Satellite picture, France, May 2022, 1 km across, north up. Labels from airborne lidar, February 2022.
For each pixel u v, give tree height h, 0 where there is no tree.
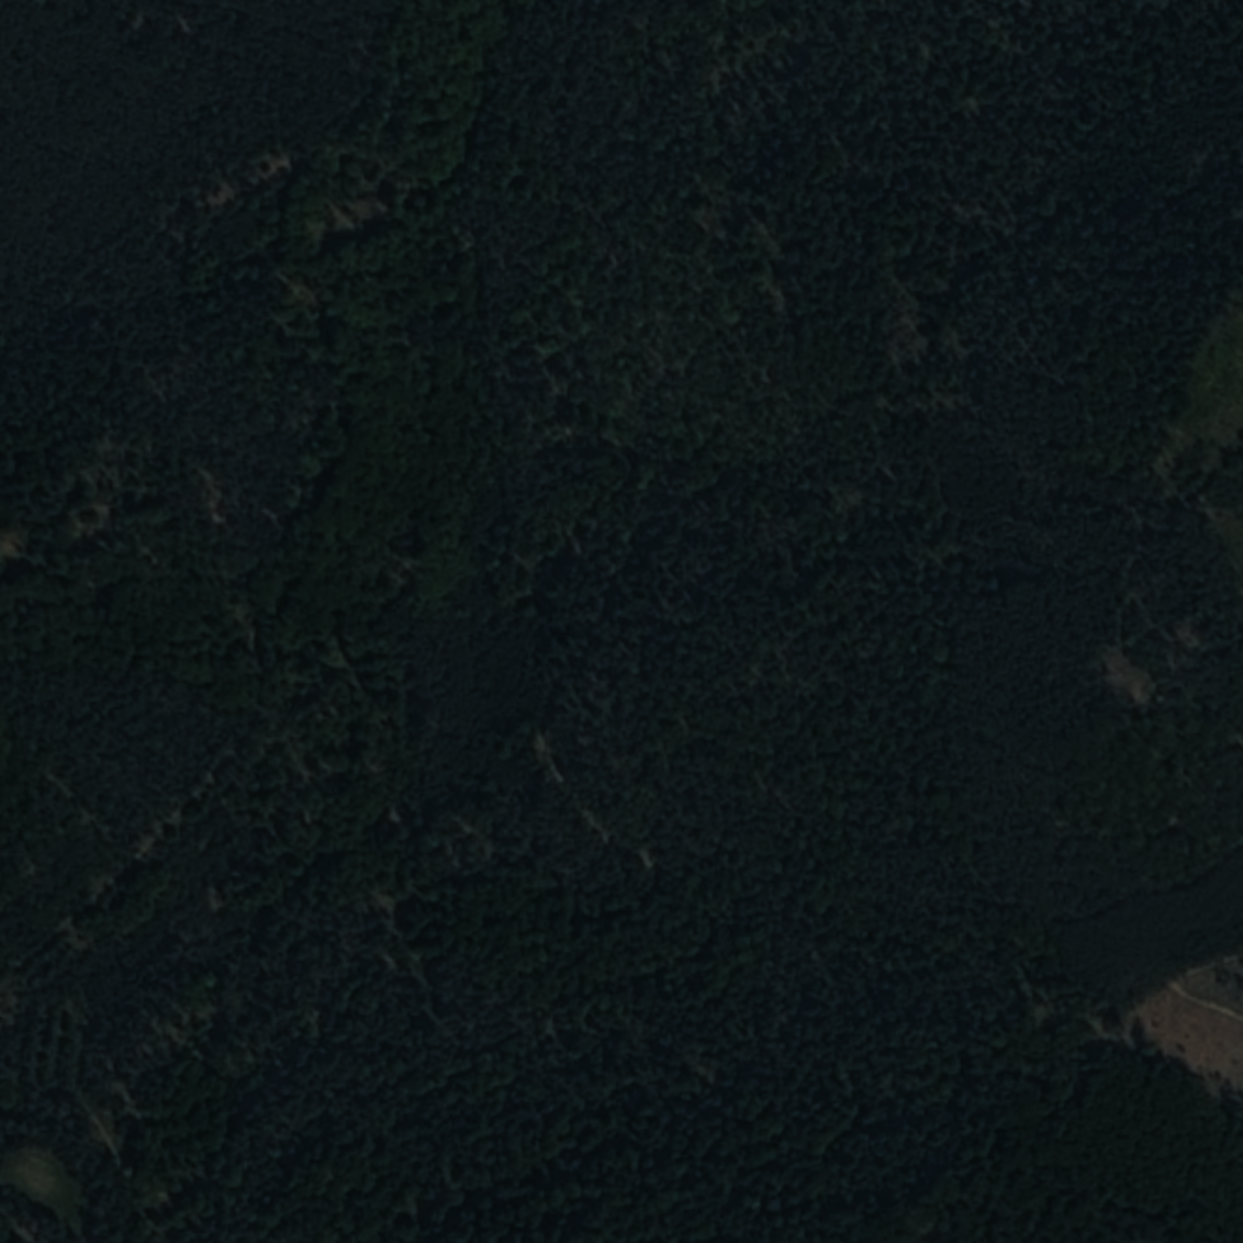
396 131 27
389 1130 25
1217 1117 23
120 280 24
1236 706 20
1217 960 18
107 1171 27
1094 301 29
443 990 31
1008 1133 20
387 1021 30
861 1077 11
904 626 26
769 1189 37
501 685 13
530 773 11
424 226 29
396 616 16
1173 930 15
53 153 20
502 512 11
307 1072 30
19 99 22
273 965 28
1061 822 24
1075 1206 22
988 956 15
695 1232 26
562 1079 28
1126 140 13
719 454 27
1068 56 26
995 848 21
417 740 17
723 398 25
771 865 27
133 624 24
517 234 30
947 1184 20
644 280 27
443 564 20
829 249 25
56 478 29
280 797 40
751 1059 29
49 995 13
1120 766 23
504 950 30
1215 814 26
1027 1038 23
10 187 23
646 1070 35
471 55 30
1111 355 23
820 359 26
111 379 26
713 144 29
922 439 23
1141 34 31
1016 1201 21
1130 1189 25
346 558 30
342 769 33
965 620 25
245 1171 34
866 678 29
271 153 22
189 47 22
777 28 6
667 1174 30
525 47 23
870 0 32
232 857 8
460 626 15
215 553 26
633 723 29
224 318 28
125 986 13
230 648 25
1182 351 6
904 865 26
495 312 31
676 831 28
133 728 25
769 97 36
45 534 11
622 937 26
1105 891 19
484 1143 35
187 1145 28
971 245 31
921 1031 32
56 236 23
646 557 34
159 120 22
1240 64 15
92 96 25
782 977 32
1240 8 9
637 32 29
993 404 27
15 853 30
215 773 26
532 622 12
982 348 28
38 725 23
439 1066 28
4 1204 26
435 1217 28
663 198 27
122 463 7
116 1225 26
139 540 24
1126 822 24
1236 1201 24
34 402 25
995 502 13
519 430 29
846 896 28
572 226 29
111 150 23
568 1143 28
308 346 25
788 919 25
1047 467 25
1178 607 17
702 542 30
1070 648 21
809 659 28
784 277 24
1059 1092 23
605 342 27
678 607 32
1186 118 17
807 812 28
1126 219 29
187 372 25
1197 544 23
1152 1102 26
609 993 32
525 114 26
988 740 20
